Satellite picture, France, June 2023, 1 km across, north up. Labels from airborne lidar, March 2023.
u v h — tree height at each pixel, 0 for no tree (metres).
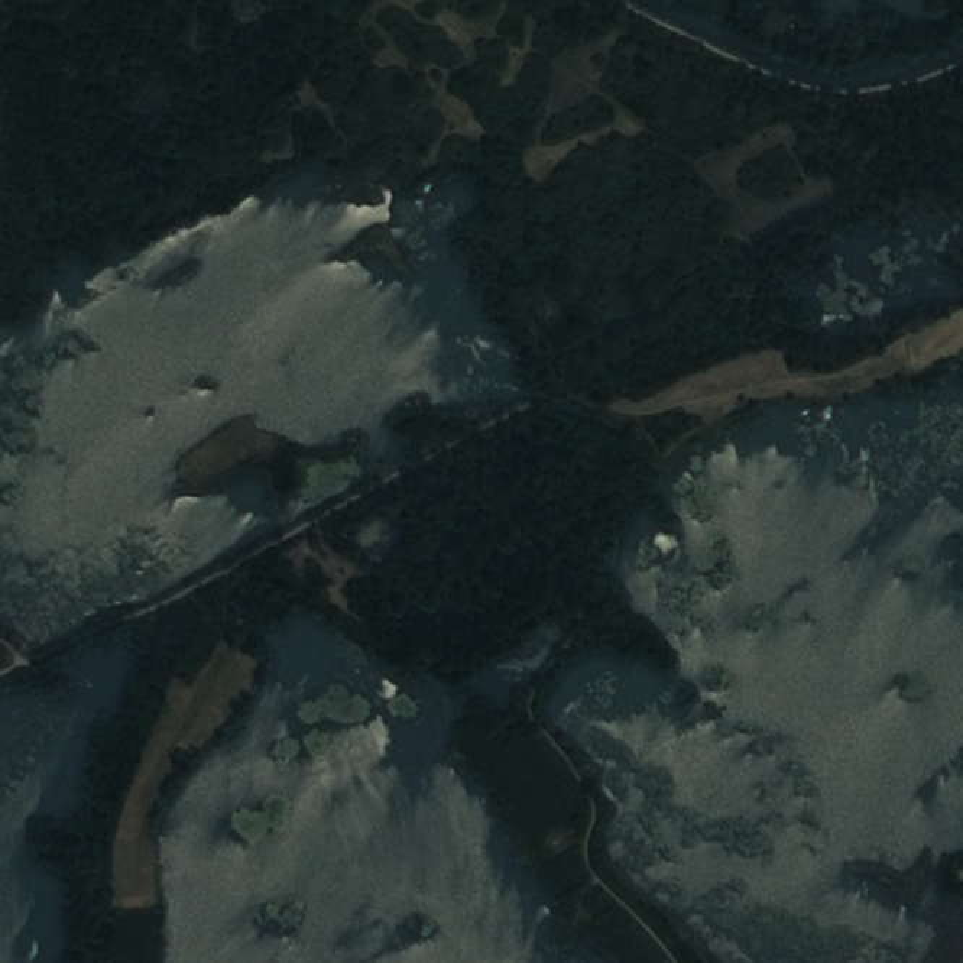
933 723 0
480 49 6
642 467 10
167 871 0
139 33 12
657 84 6
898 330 6
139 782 0
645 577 0
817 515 0
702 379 0
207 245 0
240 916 0
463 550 32
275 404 0
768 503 0
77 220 11
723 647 0
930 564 0
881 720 0
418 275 0
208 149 7
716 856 0
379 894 0
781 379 0
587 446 9
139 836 0
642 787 0
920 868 0
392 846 0
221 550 0
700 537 0
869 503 0
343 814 0
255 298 0
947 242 0
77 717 0
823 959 0
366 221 0
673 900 0
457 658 26
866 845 0
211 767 0
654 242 6
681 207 6
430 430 6
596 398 12
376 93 6
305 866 0
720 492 0
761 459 0
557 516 21
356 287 0
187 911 0
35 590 0
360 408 0
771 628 0
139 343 0
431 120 6
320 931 0
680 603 0
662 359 9
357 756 0
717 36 0
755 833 0
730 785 0
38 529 0
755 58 0
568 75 0
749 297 9
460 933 0
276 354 0
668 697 0
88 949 10
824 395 0
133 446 0
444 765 0
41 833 13
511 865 0
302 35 6
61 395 0
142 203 6
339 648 0
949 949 0
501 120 7
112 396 0
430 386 0
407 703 0
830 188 0
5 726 0
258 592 15
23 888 0
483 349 0
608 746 0
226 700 0
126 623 13
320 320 0
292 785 0
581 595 32
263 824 0
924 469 0
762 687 0
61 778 0
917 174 9
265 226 0
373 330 0
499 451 15
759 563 0
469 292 0
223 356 0
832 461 0
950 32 24
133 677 11
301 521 0
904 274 0
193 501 0
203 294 0
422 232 0
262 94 9
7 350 0
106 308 0
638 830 0
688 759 0
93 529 0
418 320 0
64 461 0
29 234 6
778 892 0
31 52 9
